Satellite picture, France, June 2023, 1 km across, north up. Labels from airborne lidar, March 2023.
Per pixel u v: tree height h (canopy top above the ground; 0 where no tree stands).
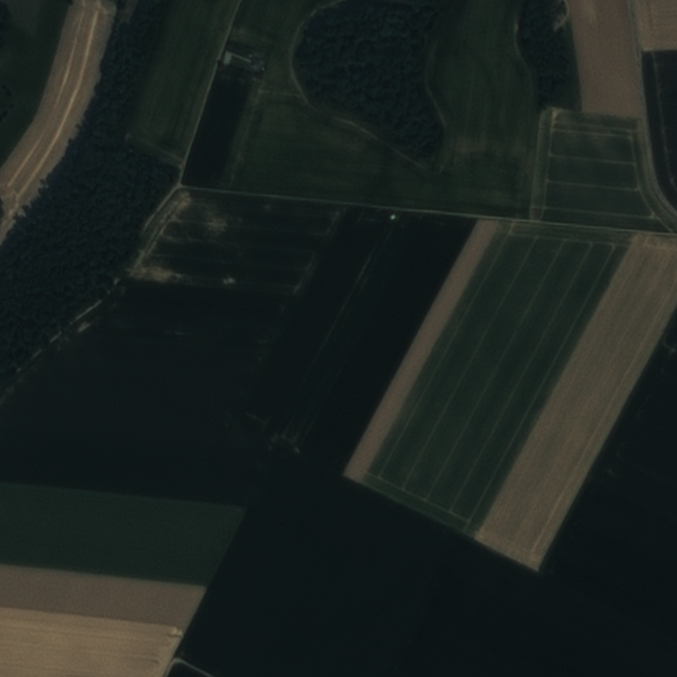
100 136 21
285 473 0
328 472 0
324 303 0
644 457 0
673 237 0
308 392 0
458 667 0
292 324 0
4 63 0
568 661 0
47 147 0
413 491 0
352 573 0
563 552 0
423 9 29
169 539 0
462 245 0
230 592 0
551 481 0
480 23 0
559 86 8
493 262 0
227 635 0
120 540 0
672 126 0
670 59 0
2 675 0
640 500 0
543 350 0
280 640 0
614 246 0
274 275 0
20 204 0
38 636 0
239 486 0
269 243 0
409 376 0
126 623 0
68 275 20
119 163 27
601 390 0
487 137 0
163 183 16
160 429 0
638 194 0
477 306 0
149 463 0
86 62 0
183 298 0
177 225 0
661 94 0
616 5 0
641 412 0
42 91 0
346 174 0
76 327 0
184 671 0
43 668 0
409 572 0
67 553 0
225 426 0
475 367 0
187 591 0
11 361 13
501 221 0
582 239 0
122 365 0
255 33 0
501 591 0
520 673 0
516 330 0
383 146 0
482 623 0
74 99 0
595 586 0
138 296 0
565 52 8
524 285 0
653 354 0
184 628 0
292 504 0
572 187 0
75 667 0
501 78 0
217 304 0
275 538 0
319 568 0
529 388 0
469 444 0
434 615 0
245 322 0
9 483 0
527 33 13
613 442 0
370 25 22
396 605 0
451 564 0
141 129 0
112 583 0
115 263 19
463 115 0
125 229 23
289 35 0
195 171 0
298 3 0
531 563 0
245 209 0
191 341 0
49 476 0
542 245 0
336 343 0
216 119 0
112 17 0
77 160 31
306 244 0
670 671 0
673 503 0
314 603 0
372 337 0
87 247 19
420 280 0
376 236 0
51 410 0
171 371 0
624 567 0
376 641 0
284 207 0
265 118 0
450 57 0
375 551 0
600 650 0
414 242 0
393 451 0
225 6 0
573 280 0
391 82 23
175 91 0
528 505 0
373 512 0
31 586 0
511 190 0
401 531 0
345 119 0
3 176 0
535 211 0
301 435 0
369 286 0
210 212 0
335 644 0
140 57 17
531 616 0
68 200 24
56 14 0
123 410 0
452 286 0
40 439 0
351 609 0
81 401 0
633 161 0
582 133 0
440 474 0
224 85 0
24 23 0
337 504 0
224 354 0
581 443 0
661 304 0
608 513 0
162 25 0
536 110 0
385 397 0
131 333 0
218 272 0
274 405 0
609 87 0
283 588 0
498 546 0
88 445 0
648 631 0
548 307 0
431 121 15
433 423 0
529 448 0
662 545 0
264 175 0
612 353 0
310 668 0
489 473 0
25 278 20
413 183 0
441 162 0
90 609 0
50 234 21
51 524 0
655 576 0
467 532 0
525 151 0
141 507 0
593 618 0
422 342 0
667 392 0
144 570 0
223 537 0
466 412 0
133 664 0
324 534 0
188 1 0
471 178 0
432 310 0
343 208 0
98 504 0
